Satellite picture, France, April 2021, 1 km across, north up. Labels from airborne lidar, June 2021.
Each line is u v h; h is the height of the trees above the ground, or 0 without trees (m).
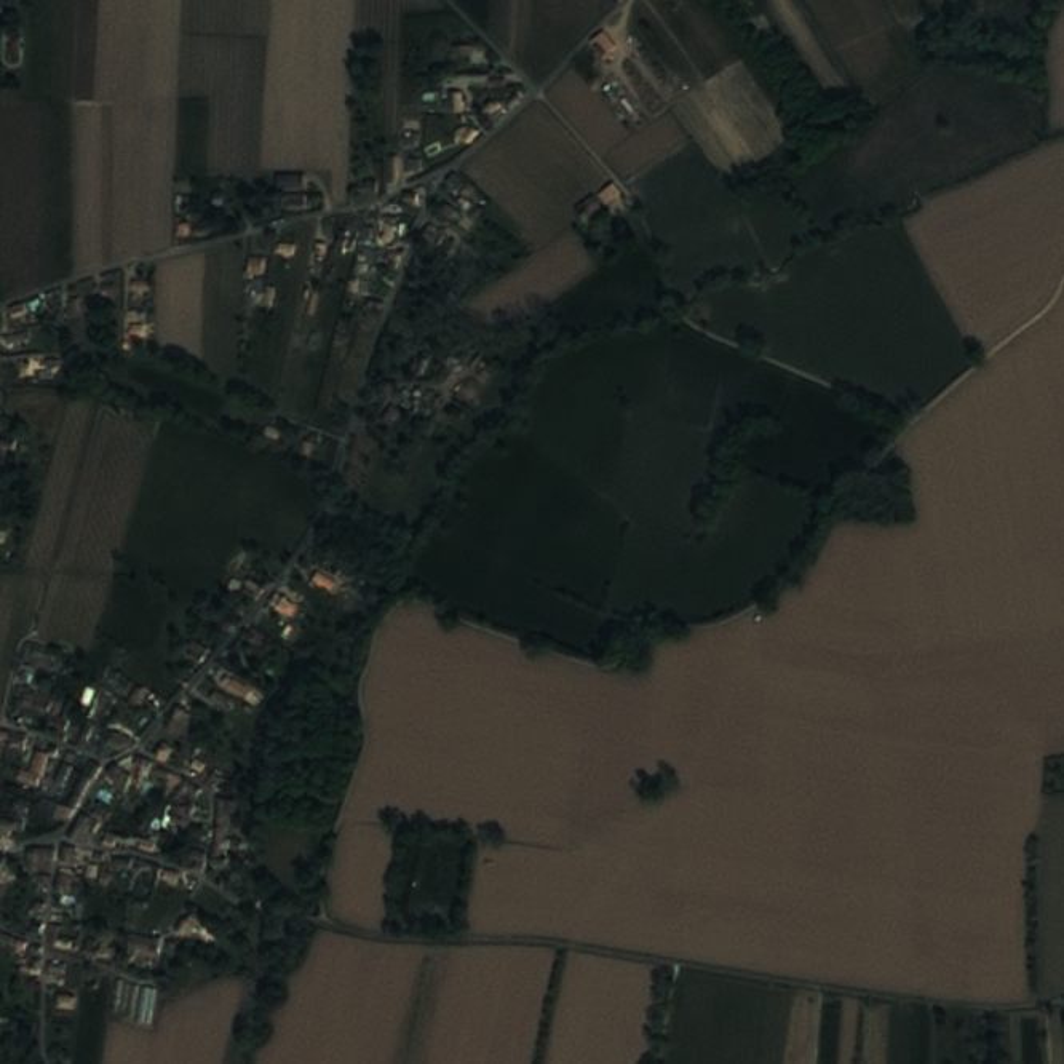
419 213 9
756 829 0
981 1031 13
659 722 0
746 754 0
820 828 0
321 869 19
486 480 0
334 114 0
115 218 0
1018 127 0
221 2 0
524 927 0
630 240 31
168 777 0
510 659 0
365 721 17
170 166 0
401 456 7
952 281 0
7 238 0
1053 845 0
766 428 19
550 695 0
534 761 0
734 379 0
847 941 0
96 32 0
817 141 26
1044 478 0
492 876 0
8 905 6
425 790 0
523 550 0
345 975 0
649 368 0
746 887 0
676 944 0
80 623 0
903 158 0
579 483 0
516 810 0
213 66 0
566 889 0
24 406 0
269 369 0
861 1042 0
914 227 0
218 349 0
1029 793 0
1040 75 16
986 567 0
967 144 0
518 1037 0
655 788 21
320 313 0
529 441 0
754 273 11
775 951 0
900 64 0
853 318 0
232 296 0
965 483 0
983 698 0
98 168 0
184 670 14
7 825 0
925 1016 0
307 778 28
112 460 0
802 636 0
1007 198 0
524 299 0
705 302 0
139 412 17
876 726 0
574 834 0
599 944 0
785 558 0
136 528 0
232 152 0
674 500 0
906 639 0
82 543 0
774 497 0
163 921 0
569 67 0
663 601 0
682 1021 0
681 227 0
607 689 0
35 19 0
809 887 0
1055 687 0
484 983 0
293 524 0
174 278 0
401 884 13
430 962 0
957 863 0
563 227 0
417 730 0
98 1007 0
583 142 0
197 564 0
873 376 0
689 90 0
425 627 0
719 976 0
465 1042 0
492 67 6
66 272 0
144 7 0
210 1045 0
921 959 0
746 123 0
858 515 16
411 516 0
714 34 0
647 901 0
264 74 0
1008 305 0
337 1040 0
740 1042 0
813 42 0
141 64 0
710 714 0
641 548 0
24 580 0
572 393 0
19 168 0
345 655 14
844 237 13
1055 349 0
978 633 0
